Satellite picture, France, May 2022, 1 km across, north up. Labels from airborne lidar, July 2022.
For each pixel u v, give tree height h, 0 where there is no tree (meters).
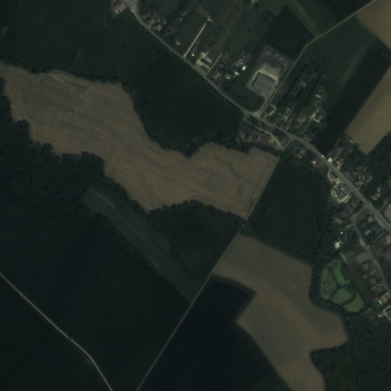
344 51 0
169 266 0
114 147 0
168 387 0
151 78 0
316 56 0
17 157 0
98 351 0
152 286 0
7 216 0
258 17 0
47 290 0
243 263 0
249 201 0
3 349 0
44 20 0
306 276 0
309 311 0
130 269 0
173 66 0
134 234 0
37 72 16
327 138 0
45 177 0
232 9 0
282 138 14
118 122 0
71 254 0
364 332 0
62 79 0
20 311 0
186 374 0
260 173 0
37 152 14
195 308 0
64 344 0
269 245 0
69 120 0
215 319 0
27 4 0
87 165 0
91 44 0
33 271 0
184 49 0
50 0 0
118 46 0
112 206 0
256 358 0
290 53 0
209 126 0
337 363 0
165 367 0
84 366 0
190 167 0
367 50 0
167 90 0
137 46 0
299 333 0
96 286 0
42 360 0
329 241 6
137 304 0
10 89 0
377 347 8
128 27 0
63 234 0
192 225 0
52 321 0
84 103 0
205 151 0
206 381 0
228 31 0
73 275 0
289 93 11
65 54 0
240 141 13
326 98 0
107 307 0
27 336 0
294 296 0
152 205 0
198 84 0
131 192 0
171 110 0
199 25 0
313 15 0
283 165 0
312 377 0
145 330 0
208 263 0
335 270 0
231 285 0
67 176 0
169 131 0
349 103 0
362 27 0
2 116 0
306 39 0
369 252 0
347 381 0
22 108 0
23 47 0
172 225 0
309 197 0
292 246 0
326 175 0
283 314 0
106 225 13
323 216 16
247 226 16
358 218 0
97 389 0
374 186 0
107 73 0
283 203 0
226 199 0
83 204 16
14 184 9
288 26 0
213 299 0
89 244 0
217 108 0
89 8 0
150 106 20
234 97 0
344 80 0
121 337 0
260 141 0
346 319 15
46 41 0
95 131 0
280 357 0
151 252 0
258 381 0
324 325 0
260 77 0
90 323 0
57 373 0
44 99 0
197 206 18
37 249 0
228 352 0
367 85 0
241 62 0
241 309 0
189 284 0
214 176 0
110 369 0
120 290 0
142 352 0
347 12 0
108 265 0
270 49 0
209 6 0
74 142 0
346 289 0
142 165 0
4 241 0
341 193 0
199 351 0
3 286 0
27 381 0
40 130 0
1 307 0
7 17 0
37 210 0
